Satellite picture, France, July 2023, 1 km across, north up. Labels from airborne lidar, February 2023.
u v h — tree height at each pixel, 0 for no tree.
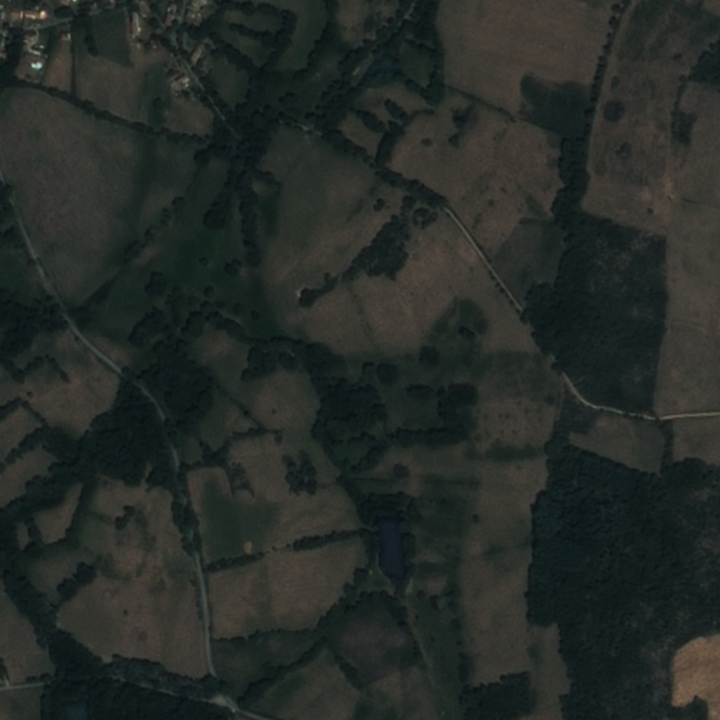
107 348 0
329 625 11
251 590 0
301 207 0
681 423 0
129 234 0
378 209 8
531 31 0
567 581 12
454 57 0
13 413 12
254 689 16
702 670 0
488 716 15
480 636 0
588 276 7
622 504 24
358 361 0
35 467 0
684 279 0
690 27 0
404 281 0
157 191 0
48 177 0
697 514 8
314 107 0
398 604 17
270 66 8
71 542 7
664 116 0
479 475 0
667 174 0
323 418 18
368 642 0
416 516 16
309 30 0
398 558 0
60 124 0
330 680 0
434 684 0
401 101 0
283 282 0
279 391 0
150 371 8
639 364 6
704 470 9
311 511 0
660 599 10
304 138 0
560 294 13
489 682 0
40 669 0
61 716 13
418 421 0
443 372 0
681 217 0
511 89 0
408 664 0
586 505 12
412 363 0
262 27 0
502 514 0
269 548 0
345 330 0
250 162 11
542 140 0
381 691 0
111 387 0
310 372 8
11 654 0
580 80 0
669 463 8
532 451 0
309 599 0
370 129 14
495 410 0
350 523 0
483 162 0
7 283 0
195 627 0
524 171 0
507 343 0
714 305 0
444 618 0
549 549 23
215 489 0
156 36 9
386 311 0
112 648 0
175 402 15
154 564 0
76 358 0
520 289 0
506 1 0
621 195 0
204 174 0
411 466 0
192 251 0
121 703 22
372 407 19
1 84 14
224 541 0
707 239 0
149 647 0
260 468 0
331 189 0
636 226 0
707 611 8
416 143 0
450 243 0
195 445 0
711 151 0
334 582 0
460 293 0
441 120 0
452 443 18
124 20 0
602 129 0
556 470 7
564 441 16
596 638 12
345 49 0
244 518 0
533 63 0
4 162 0
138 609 0
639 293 7
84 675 18
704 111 0
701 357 0
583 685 8
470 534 0
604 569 7
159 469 10
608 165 0
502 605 0
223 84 0
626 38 0
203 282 0
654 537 12
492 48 0
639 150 0
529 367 0
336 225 0
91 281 0
